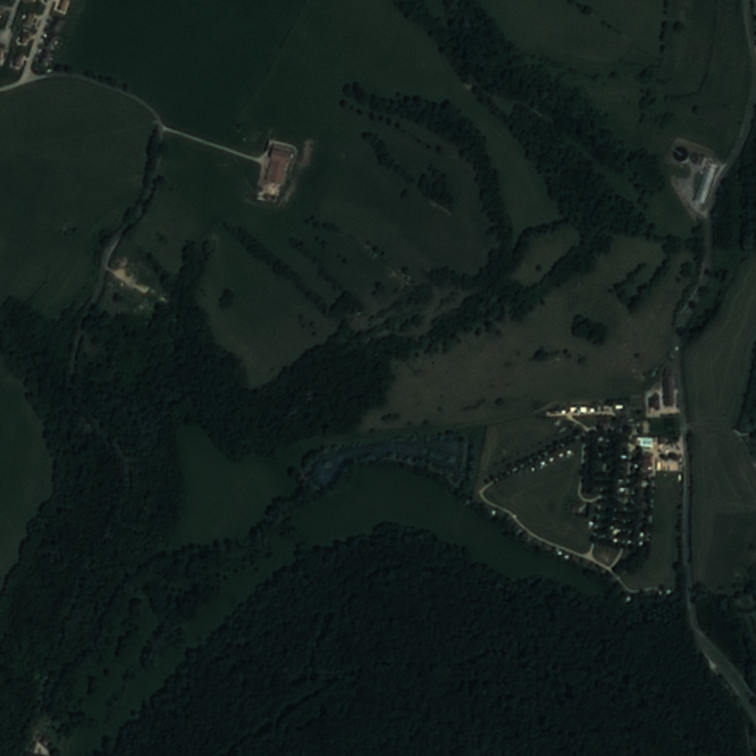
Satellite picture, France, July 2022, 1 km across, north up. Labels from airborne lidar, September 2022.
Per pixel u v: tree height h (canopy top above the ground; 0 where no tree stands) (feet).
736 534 0
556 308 0
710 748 60
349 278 0
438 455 20
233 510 0
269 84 0
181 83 0
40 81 0
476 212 0
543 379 0
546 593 73
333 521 0
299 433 30
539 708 60
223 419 65
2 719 83
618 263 0
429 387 0
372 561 70
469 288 27
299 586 79
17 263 0
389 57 0
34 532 66
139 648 0
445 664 81
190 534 0
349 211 0
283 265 43
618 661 81
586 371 0
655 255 0
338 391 62
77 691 31
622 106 0
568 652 92
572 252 29
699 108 38
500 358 0
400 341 47
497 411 0
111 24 0
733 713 58
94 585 82
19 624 73
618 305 0
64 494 80
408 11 34
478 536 0
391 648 74
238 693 64
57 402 91
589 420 0
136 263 0
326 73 0
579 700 99
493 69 33
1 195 0
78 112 0
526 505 0
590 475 43
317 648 65
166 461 71
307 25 0
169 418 75
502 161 0
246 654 51
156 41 0
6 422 0
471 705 77
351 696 69
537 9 0
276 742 73
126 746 75
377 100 53
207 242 19
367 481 0
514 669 66
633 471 24
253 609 60
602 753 65
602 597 24
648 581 0
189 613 101
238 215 0
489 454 0
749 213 48
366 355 50
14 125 0
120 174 0
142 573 90
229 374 23
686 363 0
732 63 0
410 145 0
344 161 0
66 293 0
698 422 0
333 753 69
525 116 34
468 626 82
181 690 59
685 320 0
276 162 0
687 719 76
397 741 47
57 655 57
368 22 0
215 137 0
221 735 87
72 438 96
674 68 0
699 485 0
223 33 0
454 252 0
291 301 0
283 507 75
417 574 78
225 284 0
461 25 59
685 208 0
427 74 0
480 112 0
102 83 44
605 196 40
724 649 30
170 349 90
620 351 0
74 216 0
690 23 0
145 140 0
